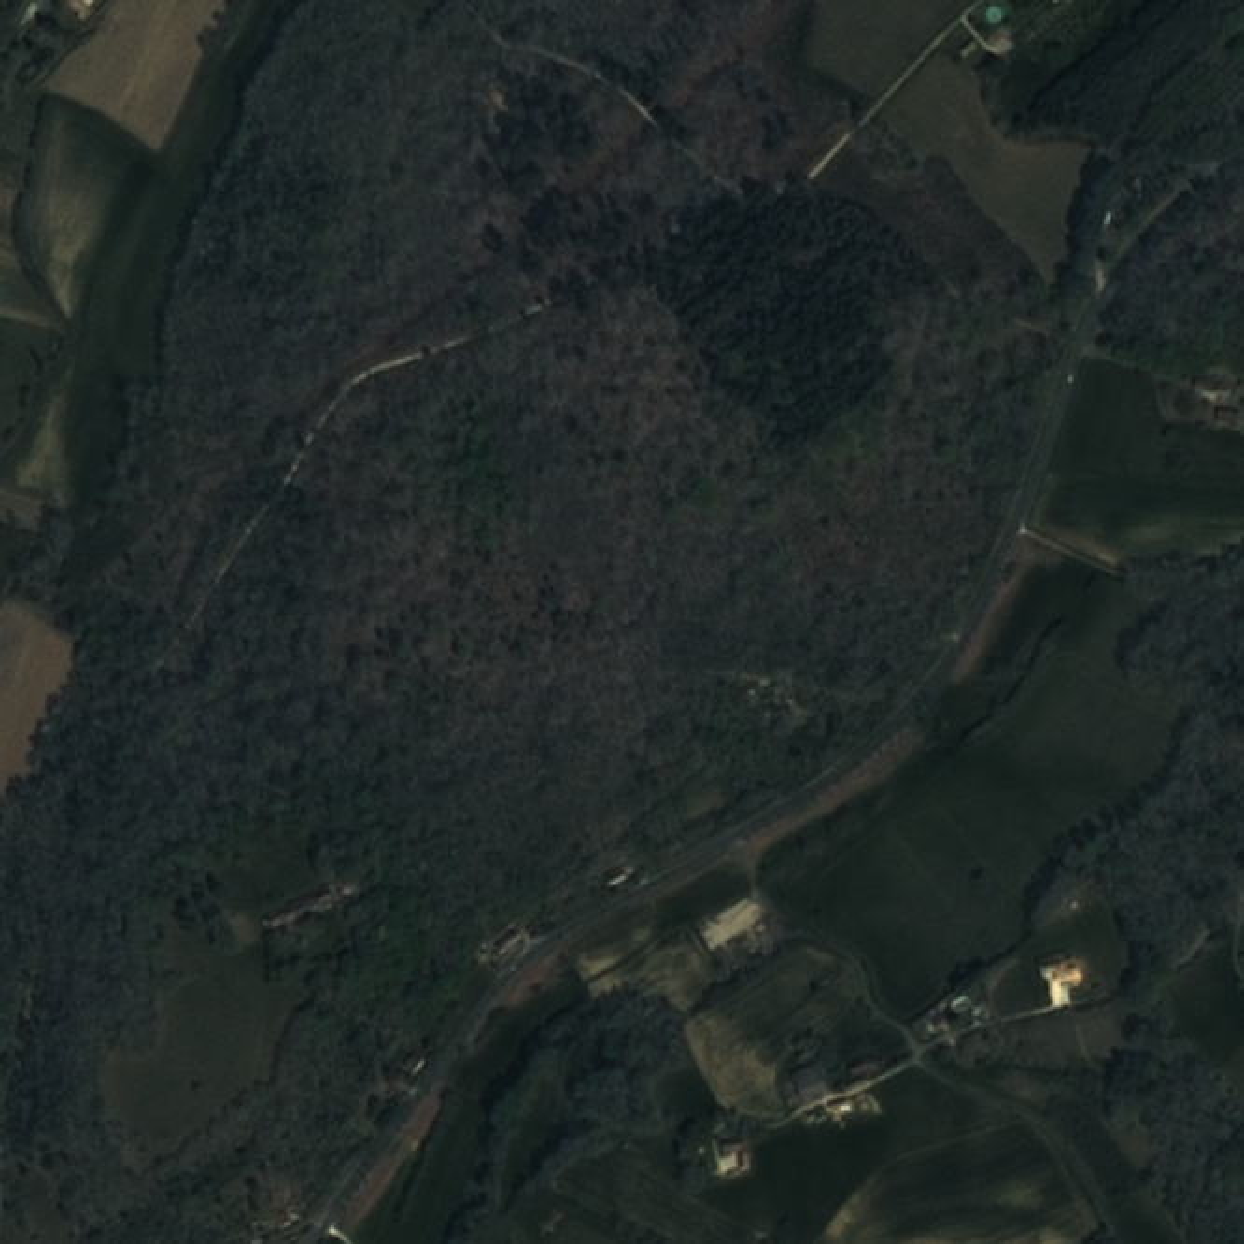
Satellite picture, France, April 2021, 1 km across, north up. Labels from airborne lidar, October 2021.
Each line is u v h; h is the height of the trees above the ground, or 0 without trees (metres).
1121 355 19
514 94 24
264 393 14
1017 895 0
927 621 5
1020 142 12
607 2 15
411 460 14
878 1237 0
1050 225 0
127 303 0
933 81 0
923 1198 0
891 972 0
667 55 12
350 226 20
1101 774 0
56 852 14
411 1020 23
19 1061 7
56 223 0
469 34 15
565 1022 8
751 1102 0
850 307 19
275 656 21
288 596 13
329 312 19
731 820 13
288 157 23
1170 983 18
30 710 0
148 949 23
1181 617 14
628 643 15
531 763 16
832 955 0
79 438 0
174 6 0
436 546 19
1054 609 0
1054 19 7
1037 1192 0
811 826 0
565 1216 0
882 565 14
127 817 24
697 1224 0
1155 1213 0
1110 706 0
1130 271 14
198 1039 0
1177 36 17
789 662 17
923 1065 0
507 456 11
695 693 20
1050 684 0
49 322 0
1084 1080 10
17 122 0
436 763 16
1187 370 13
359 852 24
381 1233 0
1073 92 13
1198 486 0
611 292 22
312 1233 9
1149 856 27
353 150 20
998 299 15
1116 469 0
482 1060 0
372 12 23
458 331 8
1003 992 0
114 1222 8
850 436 20
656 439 8
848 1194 0
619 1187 0
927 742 0
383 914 24
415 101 15
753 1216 0
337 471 15
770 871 12
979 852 0
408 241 18
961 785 0
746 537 18
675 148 19
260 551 14
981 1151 0
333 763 25
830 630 20
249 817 25
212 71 0
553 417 6
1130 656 19
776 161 16
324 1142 6
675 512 25
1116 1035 0
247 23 0
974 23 7
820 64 0
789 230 16
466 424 15
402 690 16
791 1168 0
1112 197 32
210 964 0
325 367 13
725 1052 0
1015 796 0
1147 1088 26
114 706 12
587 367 20
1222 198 6
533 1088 16
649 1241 7
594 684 9
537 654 9
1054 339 7
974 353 19
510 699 8
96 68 0
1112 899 21
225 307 15
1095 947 0
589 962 0
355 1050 16
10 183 0
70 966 14
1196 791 24
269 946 15
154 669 11
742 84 13
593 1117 21
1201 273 19
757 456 14
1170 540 0
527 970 13
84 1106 15
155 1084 0
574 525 9
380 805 23
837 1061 10
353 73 17
